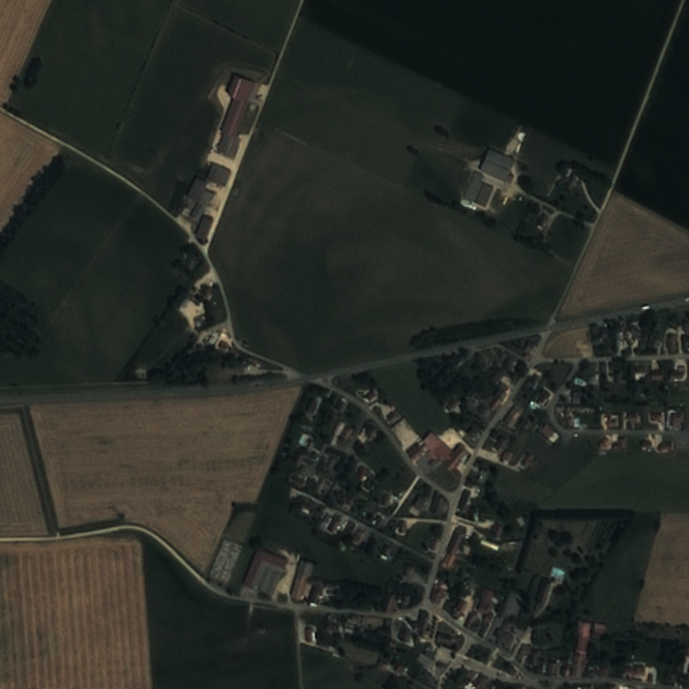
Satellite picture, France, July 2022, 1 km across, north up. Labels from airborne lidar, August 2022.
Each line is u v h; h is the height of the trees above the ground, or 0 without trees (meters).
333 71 0
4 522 0
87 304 0
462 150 0
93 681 0
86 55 0
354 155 0
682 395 0
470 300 0
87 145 0
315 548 0
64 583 0
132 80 0
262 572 0
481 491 0
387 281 0
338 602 18
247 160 0
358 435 0
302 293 0
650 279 0
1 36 0
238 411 0
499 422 0
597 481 0
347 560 0
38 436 0
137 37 0
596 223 0
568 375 0
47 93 0
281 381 0
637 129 0
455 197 0
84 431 0
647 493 0
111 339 0
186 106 0
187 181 0
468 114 0
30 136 0
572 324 0
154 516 0
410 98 0
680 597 0
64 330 0
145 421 0
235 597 0
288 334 0
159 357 0
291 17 0
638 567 0
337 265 0
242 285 0
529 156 0
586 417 0
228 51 0
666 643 15
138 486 0
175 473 0
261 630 0
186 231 0
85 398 0
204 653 0
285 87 0
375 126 0
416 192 0
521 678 0
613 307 0
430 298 0
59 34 0
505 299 0
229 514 0
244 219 0
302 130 0
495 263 0
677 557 0
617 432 0
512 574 0
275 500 0
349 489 10
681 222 0
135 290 0
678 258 0
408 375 0
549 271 0
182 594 0
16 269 0
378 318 0
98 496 0
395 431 0
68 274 0
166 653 0
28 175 0
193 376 13
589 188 0
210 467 0
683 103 0
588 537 0
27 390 0
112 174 0
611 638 16
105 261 0
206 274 0
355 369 0
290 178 0
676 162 0
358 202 0
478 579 0
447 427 0
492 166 0
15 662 0
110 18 0
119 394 0
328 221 0
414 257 0
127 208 0
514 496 0
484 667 0
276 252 0
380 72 0
